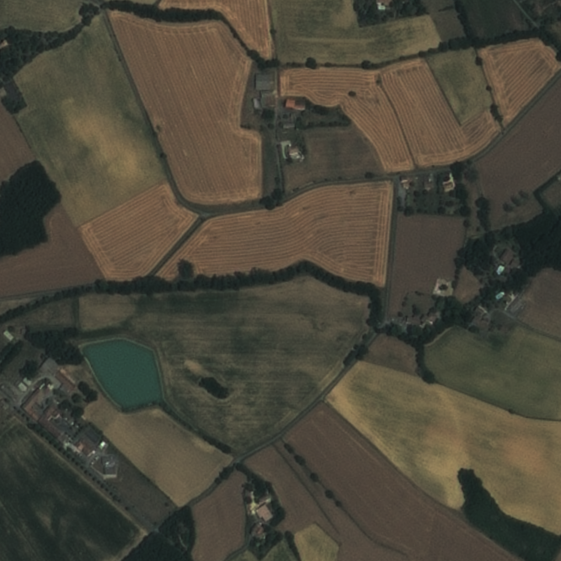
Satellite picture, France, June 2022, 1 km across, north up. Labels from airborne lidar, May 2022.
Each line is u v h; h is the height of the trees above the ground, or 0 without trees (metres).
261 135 0
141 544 11
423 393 0
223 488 0
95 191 0
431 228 0
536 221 17
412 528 0
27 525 0
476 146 0
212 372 0
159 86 0
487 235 12
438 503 0
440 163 0
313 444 0
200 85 0
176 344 0
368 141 0
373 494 0
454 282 10
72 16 0
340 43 0
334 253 0
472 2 0
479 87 0
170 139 0
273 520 11
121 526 0
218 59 0
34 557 0
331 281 17
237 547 0
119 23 0
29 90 0
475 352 0
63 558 0
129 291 20
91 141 0
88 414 0
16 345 11
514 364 0
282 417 0
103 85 0
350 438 0
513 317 0
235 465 8
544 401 0
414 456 0
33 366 18
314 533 0
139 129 0
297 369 0
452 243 0
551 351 0
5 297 0
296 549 8
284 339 0
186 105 0
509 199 0
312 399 0
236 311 0
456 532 0
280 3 0
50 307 0
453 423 0
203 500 0
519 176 0
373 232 0
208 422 0
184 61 0
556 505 0
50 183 12
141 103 0
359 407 0
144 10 17
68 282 0
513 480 0
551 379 0
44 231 11
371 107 0
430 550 0
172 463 0
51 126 0
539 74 0
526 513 0
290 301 0
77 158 0
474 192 0
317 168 0
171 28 0
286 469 0
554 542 7
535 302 0
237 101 0
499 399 0
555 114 0
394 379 0
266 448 0
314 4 0
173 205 0
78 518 0
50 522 0
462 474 16
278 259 0
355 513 0
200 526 0
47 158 0
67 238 0
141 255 0
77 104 0
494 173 0
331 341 0
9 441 0
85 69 0
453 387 0
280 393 0
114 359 0
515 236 11
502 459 0
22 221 15
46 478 0
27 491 0
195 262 0
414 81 0
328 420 0
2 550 0
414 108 0
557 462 0
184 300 0
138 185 0
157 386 0
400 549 0
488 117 0
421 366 17
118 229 0
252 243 0
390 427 0
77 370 0
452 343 0
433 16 0
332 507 0
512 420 0
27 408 0
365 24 6
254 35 0
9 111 7
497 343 0
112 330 0
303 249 0
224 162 0
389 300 0
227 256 0
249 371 0
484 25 0
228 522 0
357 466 0
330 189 0
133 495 0
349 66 0
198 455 0
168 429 0
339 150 0
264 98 0
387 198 0
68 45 0
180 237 0
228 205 0
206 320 0
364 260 0
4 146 0
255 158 0
